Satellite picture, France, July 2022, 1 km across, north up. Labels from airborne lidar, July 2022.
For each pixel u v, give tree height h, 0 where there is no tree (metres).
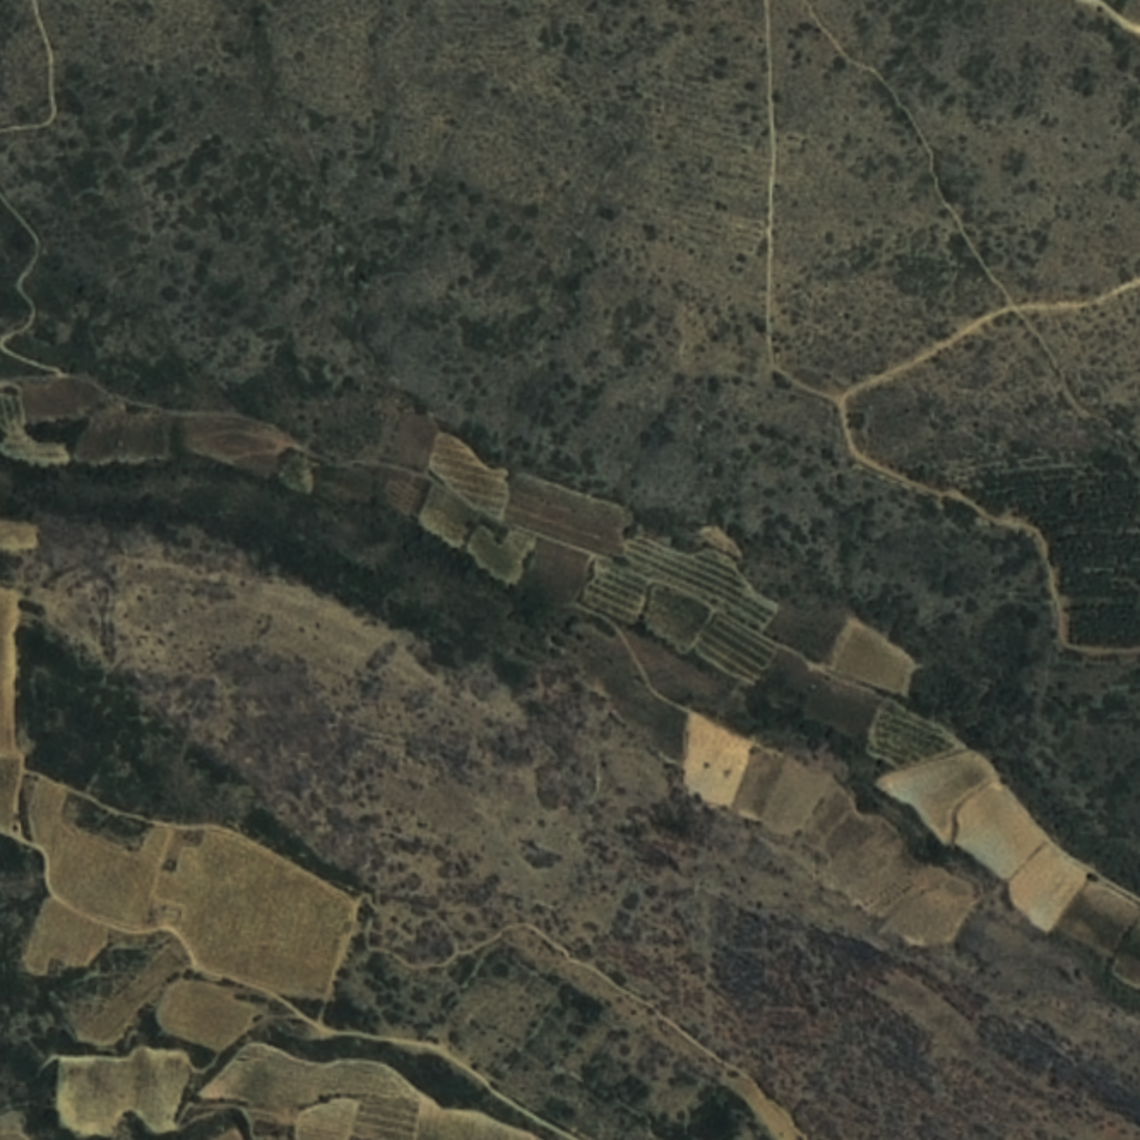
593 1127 0
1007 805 0
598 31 0
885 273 0
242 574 0
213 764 0
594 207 0
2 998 0
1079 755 0
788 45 0
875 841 0
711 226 0
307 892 0
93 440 0
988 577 0
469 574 9
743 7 0
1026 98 0
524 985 0
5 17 0
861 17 0
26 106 0
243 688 0
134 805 0
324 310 0
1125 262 0
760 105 0
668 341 0
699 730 0
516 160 0
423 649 0
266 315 0
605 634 0
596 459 0
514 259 0
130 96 0
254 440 0
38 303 0
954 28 0
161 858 0
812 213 0
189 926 0
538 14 0
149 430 0
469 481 0
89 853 0
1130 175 0
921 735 0
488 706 0
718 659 0
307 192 0
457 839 0
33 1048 0
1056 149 0
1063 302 0
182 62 0
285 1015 0
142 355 0
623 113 0
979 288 0
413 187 0
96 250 0
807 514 0
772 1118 0
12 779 0
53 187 0
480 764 0
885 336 0
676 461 0
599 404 0
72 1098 0
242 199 0
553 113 0
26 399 0
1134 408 0
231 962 0
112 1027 0
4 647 0
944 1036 0
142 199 0
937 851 6
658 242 0
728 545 0
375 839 0
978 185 0
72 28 0
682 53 0
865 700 0
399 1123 0
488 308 0
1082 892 0
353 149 0
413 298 0
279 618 0
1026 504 8
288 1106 0
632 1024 0
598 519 0
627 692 0
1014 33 0
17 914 0
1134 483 9
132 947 0
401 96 0
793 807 0
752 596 0
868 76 0
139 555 0
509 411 0
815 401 0
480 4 0
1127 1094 0
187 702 0
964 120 0
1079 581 9
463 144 0
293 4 0
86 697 0
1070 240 0
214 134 0
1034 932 0
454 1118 0
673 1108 0
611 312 0
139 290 0
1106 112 0
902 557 0
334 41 0
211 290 0
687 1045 0
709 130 0
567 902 0
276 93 0
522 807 0
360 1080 0
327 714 0
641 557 0
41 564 0
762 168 0
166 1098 0
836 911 0
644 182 0
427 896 0
